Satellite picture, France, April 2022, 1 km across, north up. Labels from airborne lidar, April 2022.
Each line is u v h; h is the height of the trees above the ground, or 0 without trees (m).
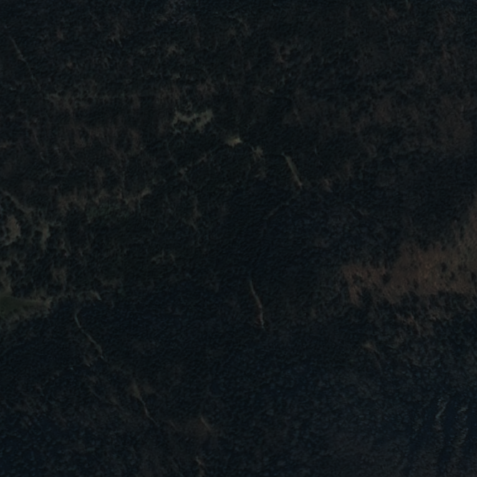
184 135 13
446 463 21
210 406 19
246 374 13
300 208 18
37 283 20
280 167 18
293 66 16
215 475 25
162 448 19
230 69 23
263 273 14
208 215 24
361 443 20
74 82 14
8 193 13
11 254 15
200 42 17
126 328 16
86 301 22
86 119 16
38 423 18
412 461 22
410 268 15
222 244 17
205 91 19
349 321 24
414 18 20
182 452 12
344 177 20
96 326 14
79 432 17
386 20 17
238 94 19
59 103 11
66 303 13
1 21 15
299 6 17
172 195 17
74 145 14
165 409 19
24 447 22
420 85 14
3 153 8
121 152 19
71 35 23
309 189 14
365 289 13
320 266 16
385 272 14
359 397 21
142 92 20
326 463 21
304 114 14
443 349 32
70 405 18
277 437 15
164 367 22
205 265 17
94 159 13
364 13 12
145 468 16
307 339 21
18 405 18
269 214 16
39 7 19
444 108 15
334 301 26
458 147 16
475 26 21
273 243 14
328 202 11
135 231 18
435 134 11
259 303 13
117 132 15
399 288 16
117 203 21
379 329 27
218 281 16
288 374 21
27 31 14
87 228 17
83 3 15
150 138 16
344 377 26
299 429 21
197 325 19
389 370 23
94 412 30
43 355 14
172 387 28
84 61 14
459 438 12
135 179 22
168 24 16
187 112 14
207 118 14
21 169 16
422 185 16
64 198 13
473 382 25
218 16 13
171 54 11
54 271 7
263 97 20
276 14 18
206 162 14
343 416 18
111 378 21
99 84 16
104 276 14
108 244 17
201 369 22
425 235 22
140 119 14
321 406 14
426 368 21
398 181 21
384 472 18
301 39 21
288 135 20
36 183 14
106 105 20
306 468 24
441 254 13
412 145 28
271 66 24
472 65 23
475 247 13
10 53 13
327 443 21
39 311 16
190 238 15
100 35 26
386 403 28
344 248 18
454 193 20
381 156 26
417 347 29
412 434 25
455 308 17
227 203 16
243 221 14
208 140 15
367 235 28
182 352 22
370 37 22
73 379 19
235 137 19
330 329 24
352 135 17
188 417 13
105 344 16
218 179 13
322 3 18
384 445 21
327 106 17
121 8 22
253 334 19
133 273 16
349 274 15
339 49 14
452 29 24
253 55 23
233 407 17
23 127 14
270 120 20
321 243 22
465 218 22
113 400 15
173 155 18
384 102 14
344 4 14
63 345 21
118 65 16
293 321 24
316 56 22
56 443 19
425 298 15
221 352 22
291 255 18
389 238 16
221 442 16
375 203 18
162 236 19
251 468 15
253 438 24
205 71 28
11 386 22
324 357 25
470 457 18
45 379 17
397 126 27
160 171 19
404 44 19
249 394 27
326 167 16
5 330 19
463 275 12
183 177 14
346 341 22
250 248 20
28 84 12
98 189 16
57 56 14
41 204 24
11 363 19
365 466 16
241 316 21
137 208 14
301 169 12
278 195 18
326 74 23
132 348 16
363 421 20
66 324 19
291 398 24
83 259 18
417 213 16
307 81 22
